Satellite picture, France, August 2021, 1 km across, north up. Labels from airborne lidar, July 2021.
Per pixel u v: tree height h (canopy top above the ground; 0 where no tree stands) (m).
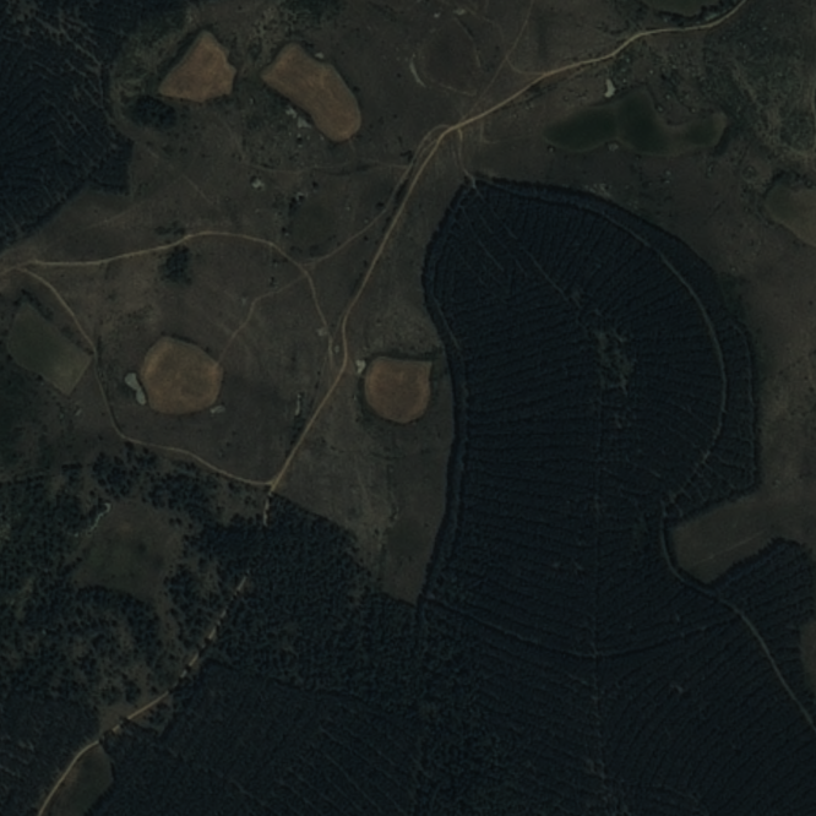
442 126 0
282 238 0
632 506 11
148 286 0
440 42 0
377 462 0
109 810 14
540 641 10
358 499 0
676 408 10
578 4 0
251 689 13
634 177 0
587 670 12
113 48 8
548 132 0
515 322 14
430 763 12
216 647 8
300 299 0
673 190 0
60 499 8
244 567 12
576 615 13
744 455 13
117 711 0
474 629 16
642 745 13
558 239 14
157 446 0
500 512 16
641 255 12
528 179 0
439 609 15
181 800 14
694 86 0
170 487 11
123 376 0
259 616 10
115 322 0
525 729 13
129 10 8
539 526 16
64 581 8
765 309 0
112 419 0
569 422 14
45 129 13
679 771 13
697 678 13
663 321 13
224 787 13
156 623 8
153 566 0
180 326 0
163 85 0
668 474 12
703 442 13
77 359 0
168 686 0
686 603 15
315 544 10
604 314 8
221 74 0
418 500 0
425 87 0
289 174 0
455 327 14
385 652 14
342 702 14
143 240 0
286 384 0
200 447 0
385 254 0
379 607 12
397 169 0
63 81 9
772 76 0
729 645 13
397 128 0
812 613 12
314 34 0
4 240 8
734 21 0
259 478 0
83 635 8
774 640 14
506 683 14
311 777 12
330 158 0
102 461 9
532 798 10
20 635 7
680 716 15
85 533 0
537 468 15
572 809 14
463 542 19
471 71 0
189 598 10
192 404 0
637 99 0
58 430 0
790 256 0
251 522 9
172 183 0
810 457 0
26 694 12
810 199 0
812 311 0
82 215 0
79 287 0
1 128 11
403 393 0
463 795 15
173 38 0
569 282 12
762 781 14
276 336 0
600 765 7
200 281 0
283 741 11
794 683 15
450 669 13
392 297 0
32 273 0
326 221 0
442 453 0
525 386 12
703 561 0
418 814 11
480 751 17
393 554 0
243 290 0
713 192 0
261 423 0
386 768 12
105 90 8
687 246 12
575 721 10
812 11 0
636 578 14
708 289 13
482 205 14
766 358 0
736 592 14
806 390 0
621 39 0
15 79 11
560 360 11
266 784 14
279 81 0
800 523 0
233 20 0
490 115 0
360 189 0
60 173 12
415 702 9
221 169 0
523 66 0
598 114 0
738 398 12
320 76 0
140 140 0
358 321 0
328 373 0
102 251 0
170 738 13
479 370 13
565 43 0
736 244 0
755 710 16
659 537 14
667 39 0
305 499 0
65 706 11
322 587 12
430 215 0
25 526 7
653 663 12
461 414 16
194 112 0
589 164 0
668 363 9
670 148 0
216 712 13
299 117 0
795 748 15
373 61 0
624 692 12
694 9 0
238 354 0
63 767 11
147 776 13
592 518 9
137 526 0
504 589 16
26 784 12
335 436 0
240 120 0
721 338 10
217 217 0
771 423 0
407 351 0
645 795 11
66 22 7
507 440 18
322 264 0
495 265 11
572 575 13
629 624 13
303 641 10
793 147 0
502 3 0
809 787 12
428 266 11
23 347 0
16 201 11
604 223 14
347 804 14
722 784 13
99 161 9
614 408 8
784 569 13
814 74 0
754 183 0
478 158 0
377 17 0
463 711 14
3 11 9
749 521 0
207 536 11
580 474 10
